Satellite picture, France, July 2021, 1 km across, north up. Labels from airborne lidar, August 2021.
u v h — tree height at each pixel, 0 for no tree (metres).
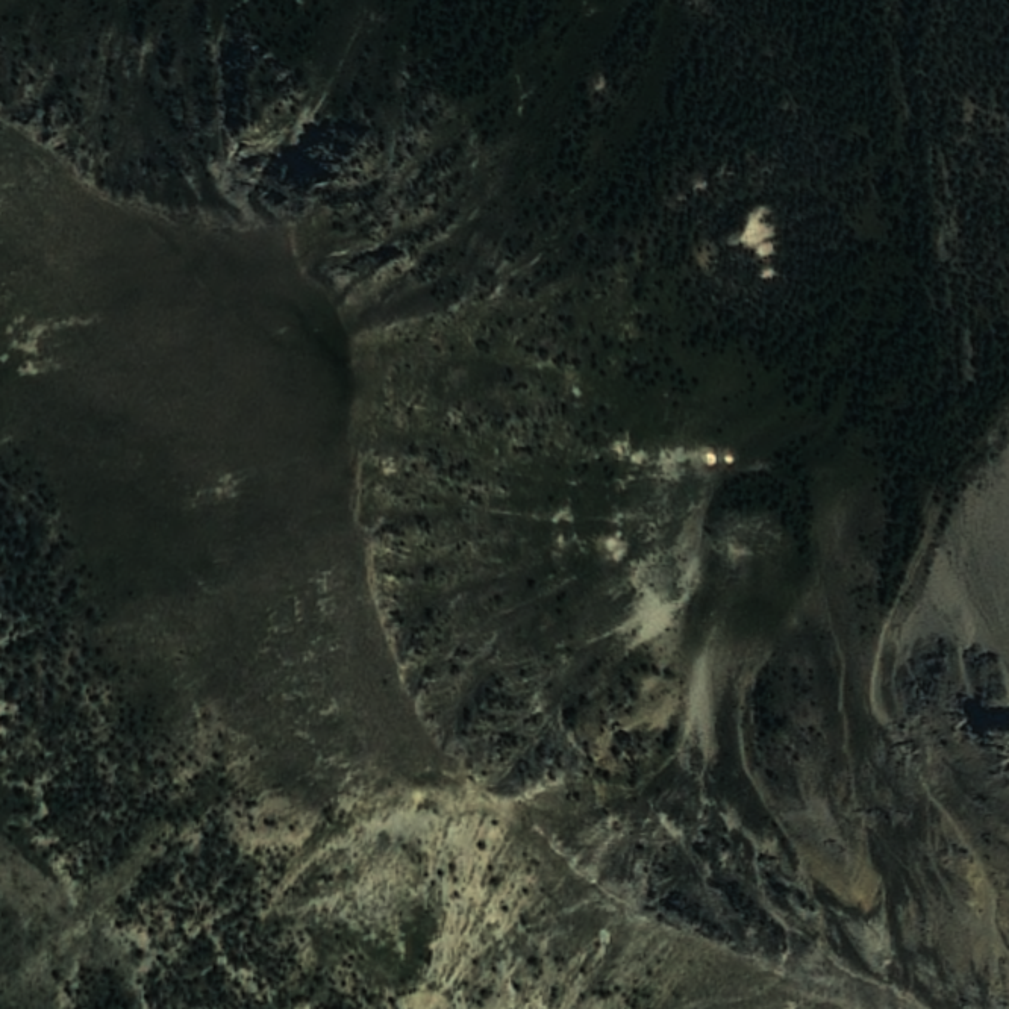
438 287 6
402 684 0
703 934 0
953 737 0
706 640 0
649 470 0
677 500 0
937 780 0
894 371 11
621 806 0
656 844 0
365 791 0
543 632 0
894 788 0
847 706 0
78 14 0
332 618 0
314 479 0
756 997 0
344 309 0
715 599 0
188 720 0
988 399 15
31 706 9
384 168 0
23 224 0
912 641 0
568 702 0
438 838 0
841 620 0
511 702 7
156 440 0
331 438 0
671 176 11
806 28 20
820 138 14
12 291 0
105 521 0
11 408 0
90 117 0
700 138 6
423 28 9
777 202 9
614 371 0
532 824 0
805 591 0
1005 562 0
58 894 0
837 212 15
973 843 0
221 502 0
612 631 0
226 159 0
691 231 9
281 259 0
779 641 0
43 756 8
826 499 0
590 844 0
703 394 0
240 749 0
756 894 0
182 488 0
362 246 0
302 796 0
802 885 0
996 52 11
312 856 0
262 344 0
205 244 0
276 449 0
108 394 0
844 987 0
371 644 0
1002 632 0
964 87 9
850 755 0
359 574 0
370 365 0
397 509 0
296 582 0
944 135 11
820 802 0
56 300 0
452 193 11
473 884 0
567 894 0
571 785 0
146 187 0
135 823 6
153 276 0
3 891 0
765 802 0
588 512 0
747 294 6
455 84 11
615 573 0
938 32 8
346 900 0
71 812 7
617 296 0
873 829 0
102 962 0
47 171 0
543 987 0
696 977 0
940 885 0
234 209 0
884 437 10
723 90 13
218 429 0
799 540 11
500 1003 0
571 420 0
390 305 0
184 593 0
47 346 0
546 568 0
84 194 0
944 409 17
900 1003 0
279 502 0
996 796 0
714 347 12
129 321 0
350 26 0
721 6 10
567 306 12
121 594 0
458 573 0
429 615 9
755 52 18
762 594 0
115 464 0
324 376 0
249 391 0
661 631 0
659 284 11
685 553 0
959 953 0
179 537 0
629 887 0
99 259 0
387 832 0
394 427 0
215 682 0
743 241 7
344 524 0
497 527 0
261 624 0
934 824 0
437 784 0
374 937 0
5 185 0
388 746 0
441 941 0
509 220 0
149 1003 11
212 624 0
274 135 0
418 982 0
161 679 0
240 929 9
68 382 0
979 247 11
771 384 0
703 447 0
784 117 14
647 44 15
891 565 14
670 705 0
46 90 0
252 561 0
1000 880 0
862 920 0
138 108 0
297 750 0
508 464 0
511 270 0
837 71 21
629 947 0
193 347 0
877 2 19
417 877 0
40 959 0
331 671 0
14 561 12
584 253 9
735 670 0
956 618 0
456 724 0
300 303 0
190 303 0
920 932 0
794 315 8
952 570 0
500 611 0
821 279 16
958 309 12
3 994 0
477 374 0
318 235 0
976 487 0
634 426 0
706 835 10
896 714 0
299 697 0
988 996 0
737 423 0
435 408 0
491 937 0
